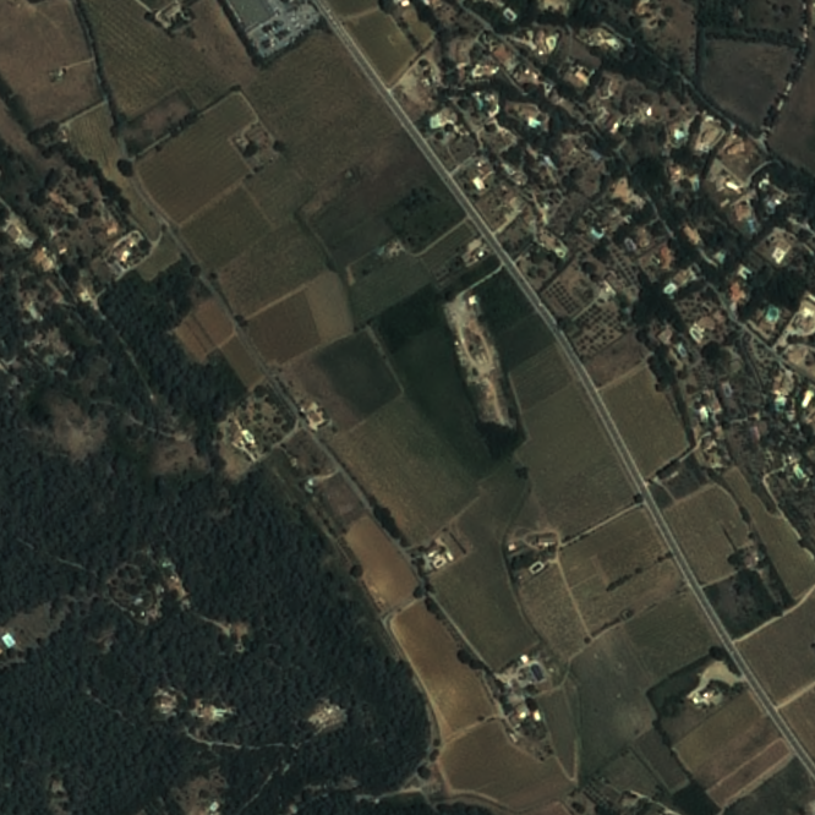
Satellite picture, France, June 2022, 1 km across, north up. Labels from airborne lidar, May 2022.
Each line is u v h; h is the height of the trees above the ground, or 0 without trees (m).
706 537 0
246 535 20
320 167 0
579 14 14
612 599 0
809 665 0
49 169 0
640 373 0
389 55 0
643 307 14
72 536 18
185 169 0
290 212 0
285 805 6
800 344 16
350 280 0
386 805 12
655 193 10
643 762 0
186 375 25
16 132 0
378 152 0
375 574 0
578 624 0
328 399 0
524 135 8
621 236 11
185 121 7
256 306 0
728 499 0
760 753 0
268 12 0
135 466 25
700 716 0
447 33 17
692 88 10
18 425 12
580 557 0
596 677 0
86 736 13
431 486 0
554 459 0
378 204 0
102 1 0
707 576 0
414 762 12
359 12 0
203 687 21
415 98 0
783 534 0
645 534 0
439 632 0
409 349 0
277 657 20
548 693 0
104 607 18
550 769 0
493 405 0
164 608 9
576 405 0
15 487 16
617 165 11
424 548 8
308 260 0
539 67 8
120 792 19
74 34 0
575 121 11
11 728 22
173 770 20
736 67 0
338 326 0
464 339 0
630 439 0
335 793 7
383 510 10
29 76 0
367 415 0
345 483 0
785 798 0
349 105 0
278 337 0
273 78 0
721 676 0
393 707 6
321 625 8
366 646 8
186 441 0
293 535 22
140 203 0
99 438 0
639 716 0
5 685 19
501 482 0
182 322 13
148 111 0
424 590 11
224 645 21
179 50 0
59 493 15
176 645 18
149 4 0
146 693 21
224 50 0
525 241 6
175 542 17
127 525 7
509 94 10
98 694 18
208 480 9
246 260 0
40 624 0
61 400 0
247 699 16
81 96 0
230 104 0
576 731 0
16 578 21
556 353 0
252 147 10
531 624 0
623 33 10
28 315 9
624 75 8
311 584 23
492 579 0
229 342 0
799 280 6
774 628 0
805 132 0
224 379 12
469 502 0
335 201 0
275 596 17
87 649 20
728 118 8
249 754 7
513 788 0
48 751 19
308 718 25
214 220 0
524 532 0
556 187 8
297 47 6
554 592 0
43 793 26
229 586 12
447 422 0
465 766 0
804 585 0
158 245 0
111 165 0
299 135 0
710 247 10
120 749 20
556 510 0
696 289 15
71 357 10
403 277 0
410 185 0
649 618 0
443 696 0
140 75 0
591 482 0
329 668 12
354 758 9
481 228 0
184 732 18
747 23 11
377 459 0
